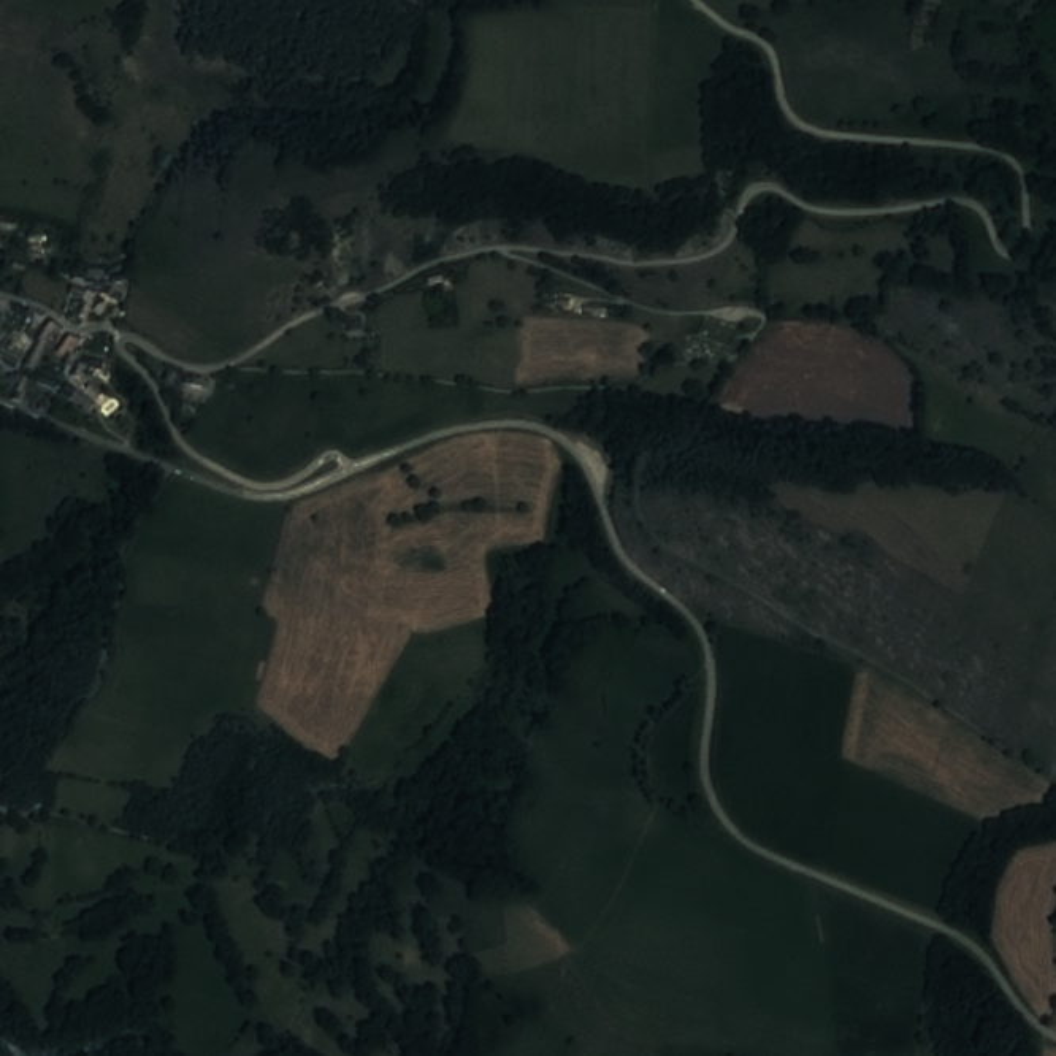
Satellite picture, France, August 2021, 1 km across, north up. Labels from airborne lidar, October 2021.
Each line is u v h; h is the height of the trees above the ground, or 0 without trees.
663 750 0
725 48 7
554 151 0
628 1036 0
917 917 0
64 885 0
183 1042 0
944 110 0
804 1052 0
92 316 6
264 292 0
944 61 0
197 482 0
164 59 0
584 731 0
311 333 0
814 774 0
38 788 13
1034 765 10
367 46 16
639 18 0
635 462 10
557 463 0
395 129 10
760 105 17
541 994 0
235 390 0
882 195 16
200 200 0
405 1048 19
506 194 24
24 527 0
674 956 0
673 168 0
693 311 0
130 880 22
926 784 0
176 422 11
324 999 0
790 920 0
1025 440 0
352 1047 15
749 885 0
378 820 8
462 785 22
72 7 0
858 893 0
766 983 0
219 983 0
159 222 0
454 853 8
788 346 0
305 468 0
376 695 0
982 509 0
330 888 17
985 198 17
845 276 0
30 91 0
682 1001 0
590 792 0
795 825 0
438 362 0
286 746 7
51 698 14
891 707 0
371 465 0
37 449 0
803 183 16
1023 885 0
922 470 21
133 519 10
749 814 0
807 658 0
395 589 0
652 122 0
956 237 21
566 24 0
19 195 0
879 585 0
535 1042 0
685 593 0
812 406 0
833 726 0
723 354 0
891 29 0
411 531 0
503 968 0
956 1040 27
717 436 14
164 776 0
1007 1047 28
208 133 11
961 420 0
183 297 0
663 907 0
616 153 0
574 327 0
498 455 0
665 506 0
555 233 12
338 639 0
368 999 18
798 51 0
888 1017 0
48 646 21
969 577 0
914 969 0
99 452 0
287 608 0
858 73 0
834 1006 0
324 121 21
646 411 18
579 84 0
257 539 0
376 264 7
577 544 16
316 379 11
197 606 0
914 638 0
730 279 0
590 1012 0
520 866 0
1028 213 0
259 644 0
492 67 0
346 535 0
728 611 0
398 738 0
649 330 9
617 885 0
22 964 0
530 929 0
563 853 0
